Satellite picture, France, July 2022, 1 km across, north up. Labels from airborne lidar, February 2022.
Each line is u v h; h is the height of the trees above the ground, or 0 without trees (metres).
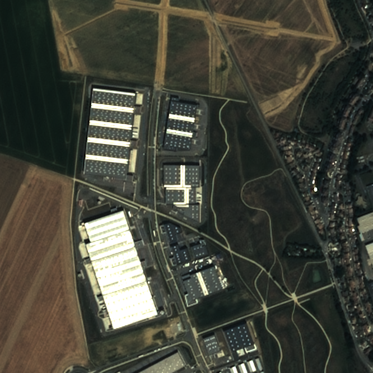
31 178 0
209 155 0
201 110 0
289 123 0
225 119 0
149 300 0
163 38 0
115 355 0
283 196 0
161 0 0
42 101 0
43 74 0
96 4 0
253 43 0
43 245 0
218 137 0
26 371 0
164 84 0
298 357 0
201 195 0
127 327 0
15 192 0
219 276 0
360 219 0
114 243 0
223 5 0
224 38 0
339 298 11
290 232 0
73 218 0
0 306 0
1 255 0
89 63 0
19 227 0
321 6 0
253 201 0
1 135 0
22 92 0
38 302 0
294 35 0
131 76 0
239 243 0
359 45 0
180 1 0
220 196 0
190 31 0
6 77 0
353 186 12
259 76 0
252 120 0
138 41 0
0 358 0
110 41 0
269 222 0
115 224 0
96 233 0
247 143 0
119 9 0
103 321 0
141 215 0
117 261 0
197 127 0
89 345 0
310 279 0
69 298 0
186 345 0
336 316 0
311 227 0
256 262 0
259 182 0
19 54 0
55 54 0
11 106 0
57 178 0
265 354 0
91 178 0
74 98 0
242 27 0
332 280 14
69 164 0
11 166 0
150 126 0
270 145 0
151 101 0
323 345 0
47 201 0
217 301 0
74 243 0
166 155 0
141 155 0
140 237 0
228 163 0
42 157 0
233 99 0
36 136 0
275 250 0
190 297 0
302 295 0
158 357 0
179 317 0
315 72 0
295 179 7
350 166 15
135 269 0
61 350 0
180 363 0
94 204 0
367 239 0
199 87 0
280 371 0
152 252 0
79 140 0
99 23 0
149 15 0
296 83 0
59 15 0
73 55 0
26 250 0
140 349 0
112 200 0
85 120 0
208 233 0
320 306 0
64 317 0
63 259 0
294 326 0
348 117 7
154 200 0
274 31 0
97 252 0
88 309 0
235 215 0
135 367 0
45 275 0
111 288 0
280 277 0
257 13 0
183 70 0
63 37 0
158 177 0
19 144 0
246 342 0
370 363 0
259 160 0
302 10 0
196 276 0
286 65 0
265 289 0
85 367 0
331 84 0
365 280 12
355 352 0
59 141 0
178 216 0
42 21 0
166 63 0
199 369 0
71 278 0
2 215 0
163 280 0
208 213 0
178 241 0
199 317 0
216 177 0
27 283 0
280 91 0
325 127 7
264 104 0
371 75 11
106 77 0
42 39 0
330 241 6
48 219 0
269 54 0
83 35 0
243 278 0
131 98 0
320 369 0
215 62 0
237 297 0
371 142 0
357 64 7
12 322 0
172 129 0
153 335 0
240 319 0
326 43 0
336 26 6
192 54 0
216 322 0
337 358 0
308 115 0
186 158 0
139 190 0
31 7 0
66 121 0
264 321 0
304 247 10
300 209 0
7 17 0
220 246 0
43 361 0
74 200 0
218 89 0
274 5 0
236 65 0
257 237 0
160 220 0
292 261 0
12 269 0
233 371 0
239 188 0
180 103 0
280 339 0
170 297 0
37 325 0
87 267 0
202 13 0
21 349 0
